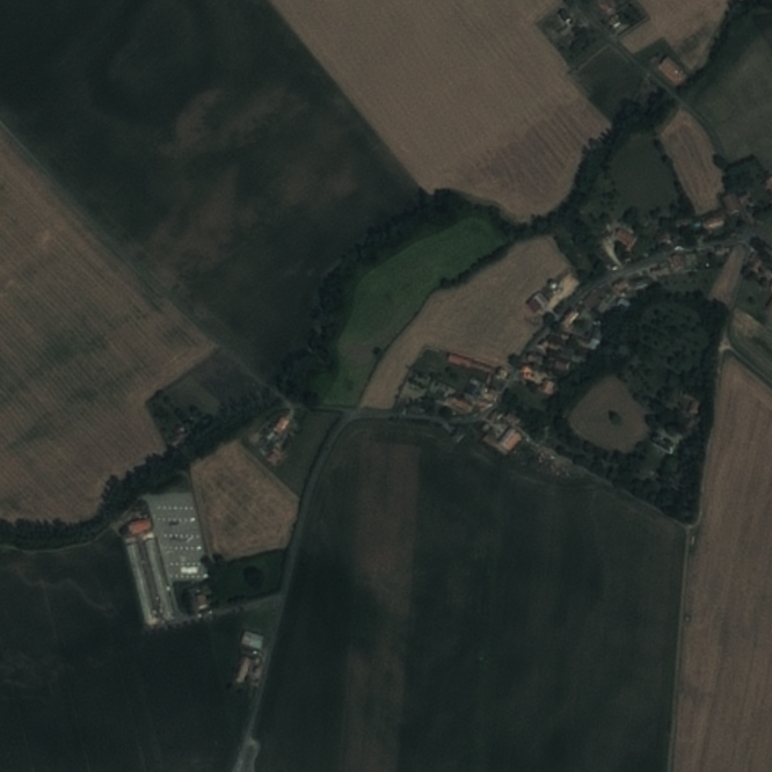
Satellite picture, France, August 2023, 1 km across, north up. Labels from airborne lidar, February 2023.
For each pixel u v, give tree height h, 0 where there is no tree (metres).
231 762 0
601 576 0
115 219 0
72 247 0
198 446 24
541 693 0
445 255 0
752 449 0
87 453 0
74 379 0
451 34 0
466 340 0
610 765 0
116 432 0
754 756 0
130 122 0
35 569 0
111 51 0
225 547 0
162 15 0
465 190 0
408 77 0
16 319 0
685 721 0
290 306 0
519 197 0
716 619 0
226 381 0
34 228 0
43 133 0
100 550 0
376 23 0
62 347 0
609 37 0
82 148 0
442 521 0
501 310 0
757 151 0
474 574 0
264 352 0
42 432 0
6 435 0
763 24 0
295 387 17
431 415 13
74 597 0
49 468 0
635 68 0
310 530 0
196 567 0
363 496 0
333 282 14
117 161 0
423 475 0
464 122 0
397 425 0
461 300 0
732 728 0
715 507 0
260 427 0
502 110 0
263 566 0
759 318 0
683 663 0
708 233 9
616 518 0
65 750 0
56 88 0
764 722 0
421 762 0
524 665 0
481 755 0
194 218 0
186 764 0
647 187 0
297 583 0
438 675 0
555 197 0
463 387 0
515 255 0
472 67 0
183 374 0
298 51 0
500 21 0
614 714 0
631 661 0
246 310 0
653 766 0
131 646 0
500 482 0
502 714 0
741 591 0
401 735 0
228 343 0
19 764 0
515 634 0
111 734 0
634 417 0
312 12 0
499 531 0
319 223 0
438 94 0
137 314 0
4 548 0
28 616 0
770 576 0
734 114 0
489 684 0
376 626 0
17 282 0
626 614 0
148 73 0
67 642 0
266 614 0
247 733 0
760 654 0
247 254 0
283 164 0
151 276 0
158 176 0
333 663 0
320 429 0
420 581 0
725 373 0
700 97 0
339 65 0
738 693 0
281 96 0
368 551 0
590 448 13
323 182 0
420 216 13
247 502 0
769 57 0
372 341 0
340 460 0
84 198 0
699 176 0
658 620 0
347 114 0
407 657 0
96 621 0
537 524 0
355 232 0
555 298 0
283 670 0
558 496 0
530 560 0
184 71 0
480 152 0
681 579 0
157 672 0
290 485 0
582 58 0
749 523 0
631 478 18
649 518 0
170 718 0
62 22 0
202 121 0
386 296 0
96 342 0
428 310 0
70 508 0
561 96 0
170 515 0
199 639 0
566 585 0
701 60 0
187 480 0
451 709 0
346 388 0
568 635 0
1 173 0
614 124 0
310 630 0
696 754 0
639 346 12
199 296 0
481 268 6
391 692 0
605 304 0
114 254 0
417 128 0
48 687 0
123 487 24
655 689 0
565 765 0
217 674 0
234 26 0
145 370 0
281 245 0
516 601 0
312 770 0
